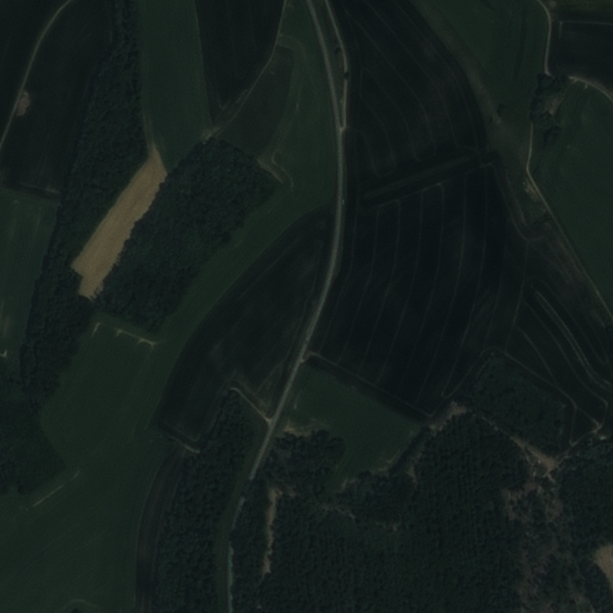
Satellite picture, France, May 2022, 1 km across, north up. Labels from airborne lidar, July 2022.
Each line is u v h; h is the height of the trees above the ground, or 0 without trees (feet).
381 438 0
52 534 0
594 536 107
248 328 0
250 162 69
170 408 0
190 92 0
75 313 83
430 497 50
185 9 0
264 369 0
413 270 0
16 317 0
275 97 0
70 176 48
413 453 57
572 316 0
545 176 0
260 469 28
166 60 0
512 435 72
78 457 0
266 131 0
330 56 0
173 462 0
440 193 0
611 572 0
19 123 0
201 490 55
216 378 0
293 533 64
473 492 42
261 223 0
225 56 0
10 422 38
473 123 0
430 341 0
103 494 0
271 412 0
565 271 0
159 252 74
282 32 0
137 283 77
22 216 0
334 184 0
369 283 0
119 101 68
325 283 0
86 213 69
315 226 0
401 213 0
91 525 0
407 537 65
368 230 0
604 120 0
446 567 43
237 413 48
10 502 0
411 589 44
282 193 0
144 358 0
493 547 80
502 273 0
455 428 29
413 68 0
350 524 76
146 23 0
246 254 0
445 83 0
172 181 67
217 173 91
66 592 0
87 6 0
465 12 0
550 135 55
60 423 0
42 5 0
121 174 62
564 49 0
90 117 66
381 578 43
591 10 0
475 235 0
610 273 0
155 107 0
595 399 0
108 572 0
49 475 37
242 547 88
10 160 0
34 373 70
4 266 0
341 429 0
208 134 0
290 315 0
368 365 0
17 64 0
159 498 0
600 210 0
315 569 65
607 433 0
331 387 0
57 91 0
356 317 0
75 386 0
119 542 0
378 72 0
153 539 0
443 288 0
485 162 0
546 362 0
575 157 0
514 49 0
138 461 0
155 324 77
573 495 84
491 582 60
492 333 0
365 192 0
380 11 0
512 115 0
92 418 0
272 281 0
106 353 0
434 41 0
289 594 67
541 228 0
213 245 61
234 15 0
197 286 0
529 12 0
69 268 73
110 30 0
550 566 59
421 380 0
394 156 0
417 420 0
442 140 0
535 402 25
